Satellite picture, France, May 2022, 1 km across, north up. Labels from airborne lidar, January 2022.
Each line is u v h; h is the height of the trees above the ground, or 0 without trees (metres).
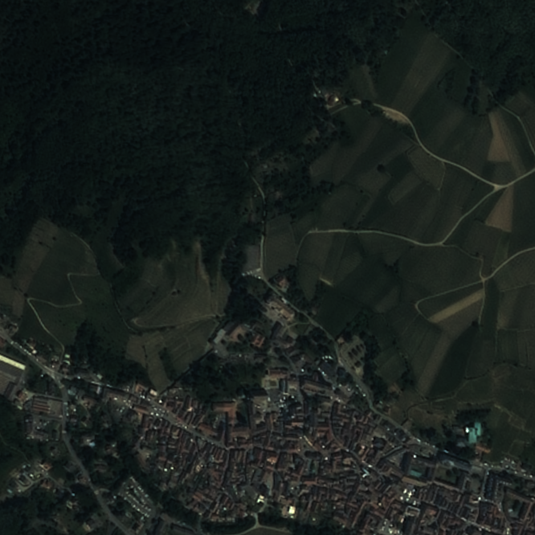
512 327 0
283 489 0
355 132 0
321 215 0
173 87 17
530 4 13
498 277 0
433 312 0
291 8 26
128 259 13
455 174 0
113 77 18
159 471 6
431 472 0
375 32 14
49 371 0
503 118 0
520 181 0
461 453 19
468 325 0
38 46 13
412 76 0
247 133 20
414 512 0
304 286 0
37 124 18
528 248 0
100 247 0
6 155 14
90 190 17
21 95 20
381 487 0
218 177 31
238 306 27
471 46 18
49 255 0
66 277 0
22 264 0
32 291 0
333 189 9
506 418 0
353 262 0
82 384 12
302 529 21
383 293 0
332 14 22
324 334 11
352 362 0
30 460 8
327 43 13
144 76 17
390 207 0
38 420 0
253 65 20
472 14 25
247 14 21
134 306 0
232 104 21
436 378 0
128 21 31
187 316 0
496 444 0
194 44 32
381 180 0
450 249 0
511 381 0
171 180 24
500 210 0
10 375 0
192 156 28
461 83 0
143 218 19
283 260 0
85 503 0
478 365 0
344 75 22
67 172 18
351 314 0
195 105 21
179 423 0
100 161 17
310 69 16
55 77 25
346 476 0
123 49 28
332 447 0
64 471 0
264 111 24
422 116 0
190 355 0
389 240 0
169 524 0
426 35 0
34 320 0
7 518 26
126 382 17
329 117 12
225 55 25
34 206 14
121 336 0
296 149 16
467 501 0
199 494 0
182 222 24
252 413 0
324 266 0
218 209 18
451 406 0
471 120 0
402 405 0
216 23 16
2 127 20
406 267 0
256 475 0
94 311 0
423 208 0
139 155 21
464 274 0
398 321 0
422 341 0
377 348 11
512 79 23
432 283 0
